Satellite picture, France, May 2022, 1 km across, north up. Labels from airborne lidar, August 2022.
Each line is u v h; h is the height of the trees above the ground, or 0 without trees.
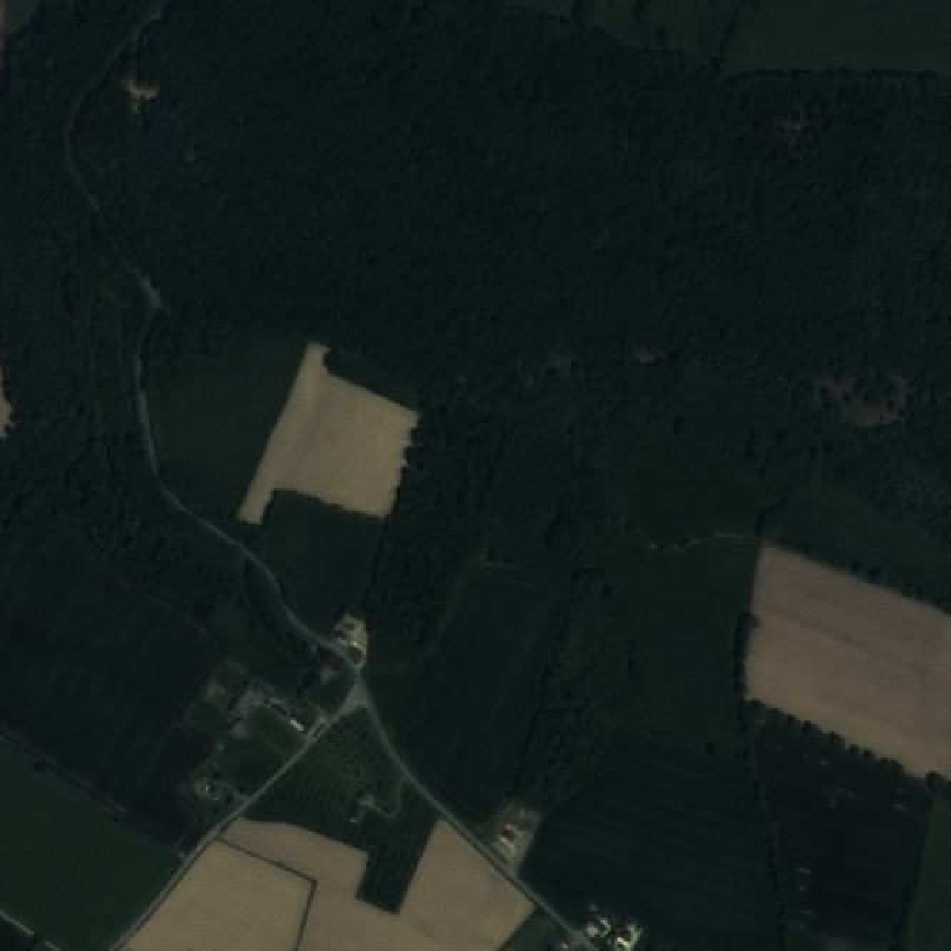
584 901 0
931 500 9
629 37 0
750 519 0
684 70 21
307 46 21
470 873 0
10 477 15
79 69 26
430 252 19
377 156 25
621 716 0
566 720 14
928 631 0
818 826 0
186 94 11
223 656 0
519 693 0
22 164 24
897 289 9
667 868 0
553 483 19
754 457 14
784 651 0
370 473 0
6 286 15
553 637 0
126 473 18
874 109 7
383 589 13
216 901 0
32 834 0
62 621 0
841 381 12
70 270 13
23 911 0
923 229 8
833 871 0
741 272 18
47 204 25
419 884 0
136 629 0
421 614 19
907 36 0
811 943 0
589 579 15
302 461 0
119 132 13
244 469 0
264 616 9
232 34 21
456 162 15
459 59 25
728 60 7
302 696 13
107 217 12
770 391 22
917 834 0
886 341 20
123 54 9
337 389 0
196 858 0
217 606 10
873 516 0
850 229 16
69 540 0
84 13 31
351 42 19
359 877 0
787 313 20
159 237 16
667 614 0
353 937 0
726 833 0
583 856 0
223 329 30
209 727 0
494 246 17
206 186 13
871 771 0
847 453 19
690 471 0
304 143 20
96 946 0
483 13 24
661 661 0
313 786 6
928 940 0
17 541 19
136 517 15
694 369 17
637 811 0
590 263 22
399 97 24
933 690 0
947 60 0
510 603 0
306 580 0
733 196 24
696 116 25
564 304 21
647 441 0
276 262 13
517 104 20
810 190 15
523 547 0
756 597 0
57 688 0
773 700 0
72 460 20
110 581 0
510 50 26
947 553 0
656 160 20
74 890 0
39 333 16
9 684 0
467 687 0
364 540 0
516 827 0
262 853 0
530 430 19
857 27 0
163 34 22
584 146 24
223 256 17
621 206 25
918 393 10
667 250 25
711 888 0
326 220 20
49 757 0
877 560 0
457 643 0
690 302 23
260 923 0
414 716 0
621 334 21
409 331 19
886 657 0
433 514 10
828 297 23
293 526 0
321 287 15
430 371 17
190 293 23
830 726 0
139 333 15
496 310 17
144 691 0
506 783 0
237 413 0
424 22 26
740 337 17
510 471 16
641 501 0
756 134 17
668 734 0
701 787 0
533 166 14
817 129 15
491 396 19
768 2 0
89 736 0
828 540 0
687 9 0
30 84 27
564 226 15
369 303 20
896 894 0
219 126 17
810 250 23
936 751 0
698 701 0
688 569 0
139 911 0
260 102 21
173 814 0
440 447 18
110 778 0
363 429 0
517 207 16
